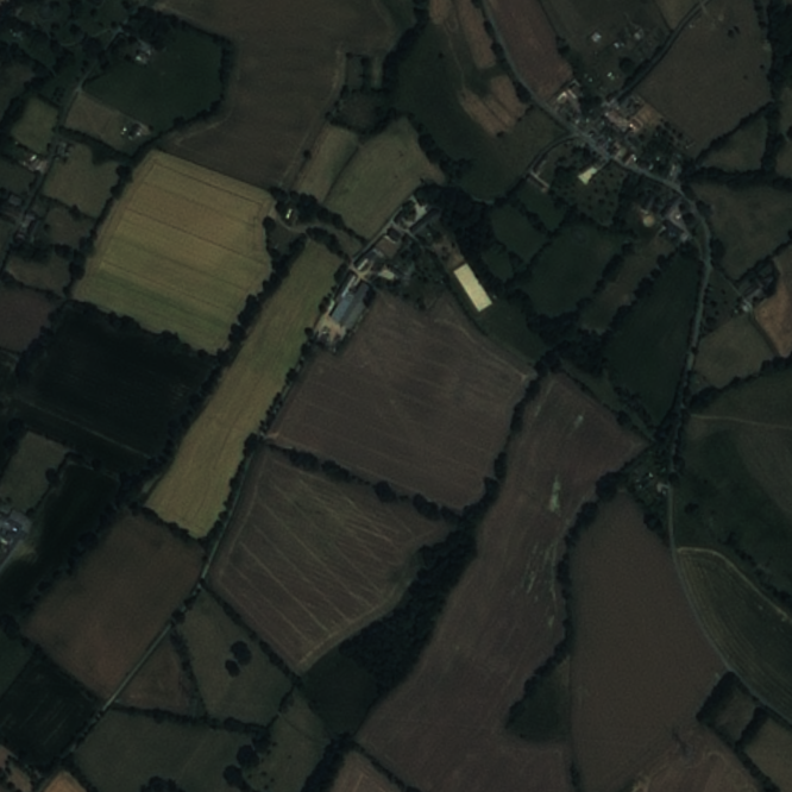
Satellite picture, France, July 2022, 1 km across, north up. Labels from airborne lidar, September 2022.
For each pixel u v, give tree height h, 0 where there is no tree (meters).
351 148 0
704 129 0
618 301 0
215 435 0
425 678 0
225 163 0
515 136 0
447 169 14
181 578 0
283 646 0
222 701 0
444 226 8
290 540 0
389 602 0
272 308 0
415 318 0
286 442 0
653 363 0
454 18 0
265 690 0
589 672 0
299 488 0
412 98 0
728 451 0
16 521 0
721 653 0
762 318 0
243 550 0
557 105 0
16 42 0
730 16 0
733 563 0
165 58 0
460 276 0
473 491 0
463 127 0
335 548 0
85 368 0
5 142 10
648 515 5
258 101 0
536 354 0
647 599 0
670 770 0
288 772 0
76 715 0
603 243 0
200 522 0
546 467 0
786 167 0
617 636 0
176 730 0
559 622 0
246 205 0
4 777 10
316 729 0
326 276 0
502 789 0
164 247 0
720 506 0
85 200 0
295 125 0
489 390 0
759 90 0
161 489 0
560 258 0
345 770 0
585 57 0
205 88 0
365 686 0
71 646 0
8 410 0
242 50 0
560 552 0
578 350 25
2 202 12
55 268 0
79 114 0
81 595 0
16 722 0
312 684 0
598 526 0
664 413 0
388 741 0
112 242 0
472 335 0
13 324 0
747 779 0
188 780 0
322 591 0
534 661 0
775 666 0
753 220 0
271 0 0
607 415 0
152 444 0
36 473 0
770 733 0
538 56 0
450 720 0
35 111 0
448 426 0
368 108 0
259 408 0
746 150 0
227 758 0
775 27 13
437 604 17
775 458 0
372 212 0
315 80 0
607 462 0
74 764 7
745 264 0
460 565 13
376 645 18
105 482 0
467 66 0
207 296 0
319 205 20
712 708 14
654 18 0
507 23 0
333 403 0
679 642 0
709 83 0
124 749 0
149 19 9
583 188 0
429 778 0
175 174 0
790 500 0
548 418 0
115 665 0
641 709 0
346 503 0
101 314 12
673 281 0
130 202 0
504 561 0
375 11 0
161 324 0
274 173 0
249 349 0
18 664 0
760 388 0
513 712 7
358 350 0
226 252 0
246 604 0
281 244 0
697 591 0
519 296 15
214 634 0
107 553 0
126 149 0
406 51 18
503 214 0
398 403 0
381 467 0
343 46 0
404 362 0
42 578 0
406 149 0
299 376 13
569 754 0
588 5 0
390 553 0
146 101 0
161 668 0
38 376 0
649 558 0
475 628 0
